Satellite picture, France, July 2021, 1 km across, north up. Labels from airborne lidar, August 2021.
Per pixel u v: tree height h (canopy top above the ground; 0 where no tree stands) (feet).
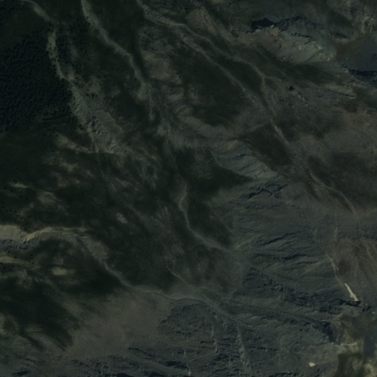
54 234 0
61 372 0
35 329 0
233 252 0
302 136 0
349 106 0
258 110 0
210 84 0
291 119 0
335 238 0
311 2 0
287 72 0
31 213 0
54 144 0
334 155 0
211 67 0
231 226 0
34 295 0
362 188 0
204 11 0
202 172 0
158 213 0
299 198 0
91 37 0
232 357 0
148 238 0
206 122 0
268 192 0
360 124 0
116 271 0
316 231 0
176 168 0
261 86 0
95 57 0
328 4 0
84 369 0
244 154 0
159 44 0
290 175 0
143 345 0
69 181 0
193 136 0
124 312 0
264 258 0
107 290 0
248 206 0
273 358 0
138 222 0
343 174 0
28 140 0
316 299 0
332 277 0
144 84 0
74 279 0
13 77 35
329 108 0
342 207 0
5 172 0
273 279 0
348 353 0
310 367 0
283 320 0
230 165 0
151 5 0
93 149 0
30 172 0
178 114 0
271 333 0
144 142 0
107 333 0
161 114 0
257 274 0
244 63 0
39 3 0
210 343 0
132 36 0
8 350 0
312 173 0
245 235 0
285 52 0
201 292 0
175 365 0
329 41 0
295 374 0
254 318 0
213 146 0
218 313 0
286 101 0
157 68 0
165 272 0
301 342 0
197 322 0
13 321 0
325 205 0
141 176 0
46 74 0
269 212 0
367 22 0
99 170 0
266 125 0
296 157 0
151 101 0
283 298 0
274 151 0
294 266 0
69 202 0
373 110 0
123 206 0
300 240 0
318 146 0
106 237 0
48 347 0
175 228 0
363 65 0
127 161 0
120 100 0
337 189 0
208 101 0
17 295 0
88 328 0
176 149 0
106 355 0
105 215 0
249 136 0
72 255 0
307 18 0
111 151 0
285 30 0
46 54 26
